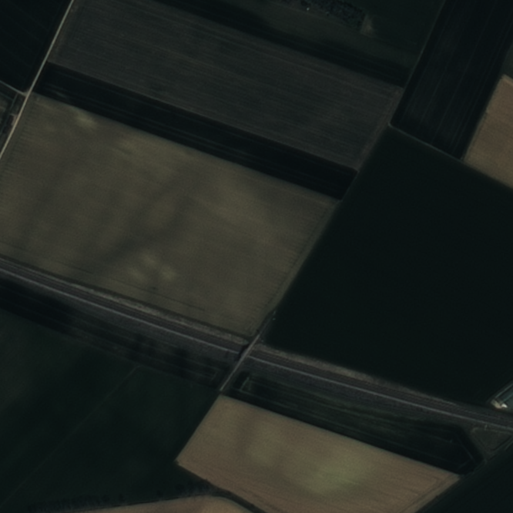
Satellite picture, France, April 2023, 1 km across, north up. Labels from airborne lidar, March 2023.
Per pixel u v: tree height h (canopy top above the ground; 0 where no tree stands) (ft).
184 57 0
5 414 0
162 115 0
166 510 0
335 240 0
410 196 0
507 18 0
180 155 0
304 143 0
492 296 0
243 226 0
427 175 0
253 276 0
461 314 0
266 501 0
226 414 0
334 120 0
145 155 0
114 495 0
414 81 0
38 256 0
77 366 0
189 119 0
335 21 0
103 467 0
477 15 0
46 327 0
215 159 0
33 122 0
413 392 0
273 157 0
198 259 0
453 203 0
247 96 0
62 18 0
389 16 0
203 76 0
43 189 0
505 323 0
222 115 0
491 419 0
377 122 0
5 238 0
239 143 0
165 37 0
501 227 0
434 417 0
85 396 0
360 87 0
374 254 0
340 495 0
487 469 0
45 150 0
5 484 0
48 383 0
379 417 0
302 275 0
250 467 0
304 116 0
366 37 0
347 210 0
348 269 0
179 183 0
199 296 0
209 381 0
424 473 0
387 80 0
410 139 0
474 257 0
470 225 0
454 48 0
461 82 0
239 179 0
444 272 0
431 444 0
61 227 0
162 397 0
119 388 0
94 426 0
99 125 0
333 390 0
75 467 0
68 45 0
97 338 0
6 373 0
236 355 0
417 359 0
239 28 0
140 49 0
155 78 0
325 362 0
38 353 0
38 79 0
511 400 0
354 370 0
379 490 0
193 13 0
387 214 0
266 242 0
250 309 0
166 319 0
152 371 0
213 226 0
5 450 0
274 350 0
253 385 0
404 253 0
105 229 0
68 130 0
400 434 0
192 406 0
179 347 0
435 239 0
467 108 0
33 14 0
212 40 0
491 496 0
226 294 0
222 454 0
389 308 0
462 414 0
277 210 0
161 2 0
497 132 0
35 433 0
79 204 0
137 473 0
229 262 0
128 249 0
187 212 0
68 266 0
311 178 0
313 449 0
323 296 0
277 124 0
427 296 0
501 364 0
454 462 0
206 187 0
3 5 0
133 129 0
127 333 0
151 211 0
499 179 0
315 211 0
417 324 0
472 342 0
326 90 0
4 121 0
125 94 0
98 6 0
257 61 0
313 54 0
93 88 0
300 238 0
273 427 0
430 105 0
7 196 0
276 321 0
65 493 0
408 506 0
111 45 0
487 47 0
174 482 0
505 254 0
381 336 0
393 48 0
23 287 0
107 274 0
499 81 0
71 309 0
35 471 0
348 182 0
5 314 0
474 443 0
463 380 0
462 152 0
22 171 0
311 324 0
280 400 0
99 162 0
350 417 0
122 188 0
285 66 0
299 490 0
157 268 0
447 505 0
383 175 0
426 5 0
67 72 0
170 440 0
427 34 0
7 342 0
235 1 0
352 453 0
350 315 0
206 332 0
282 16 0
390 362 0
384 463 0
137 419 0
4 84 0
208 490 71
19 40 0
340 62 0
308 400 0
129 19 0
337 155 0
